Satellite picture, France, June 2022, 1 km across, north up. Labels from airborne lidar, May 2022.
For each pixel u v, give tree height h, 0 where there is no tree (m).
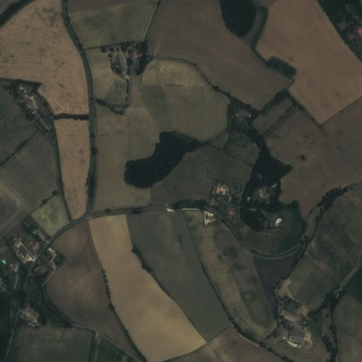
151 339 0
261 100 0
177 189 0
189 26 0
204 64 0
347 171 0
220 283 0
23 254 0
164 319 0
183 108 0
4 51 0
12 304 7
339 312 0
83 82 0
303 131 0
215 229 0
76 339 0
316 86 0
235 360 0
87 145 0
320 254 0
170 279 0
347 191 15
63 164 0
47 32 0
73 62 0
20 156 0
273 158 18
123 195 0
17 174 0
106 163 0
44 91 0
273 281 0
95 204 0
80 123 0
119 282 0
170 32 0
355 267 0
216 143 0
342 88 0
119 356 0
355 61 0
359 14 5
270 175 16
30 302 10
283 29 0
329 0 10
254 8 18
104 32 0
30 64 0
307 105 0
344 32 12
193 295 0
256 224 18
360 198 0
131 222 0
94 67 0
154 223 0
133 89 0
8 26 0
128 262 0
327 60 0
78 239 0
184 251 0
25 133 0
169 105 0
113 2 0
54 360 0
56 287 0
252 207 14
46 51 0
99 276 0
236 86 0
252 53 0
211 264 0
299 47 0
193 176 0
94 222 0
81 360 0
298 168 0
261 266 0
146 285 0
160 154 19
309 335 0
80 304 0
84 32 0
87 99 0
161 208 0
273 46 0
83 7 0
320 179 0
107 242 0
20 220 0
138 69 6
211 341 0
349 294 0
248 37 0
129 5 0
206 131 0
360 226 0
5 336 0
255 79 0
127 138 0
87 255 0
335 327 15
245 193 15
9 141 0
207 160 0
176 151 17
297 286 0
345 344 0
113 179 0
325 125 0
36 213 0
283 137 0
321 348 0
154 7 0
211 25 0
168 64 0
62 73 0
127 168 9
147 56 9
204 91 0
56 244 0
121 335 0
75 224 0
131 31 0
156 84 0
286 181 0
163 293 0
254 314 0
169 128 0
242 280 0
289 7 0
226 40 0
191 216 0
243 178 0
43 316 7
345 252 0
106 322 0
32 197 0
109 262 0
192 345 0
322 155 0
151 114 0
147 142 0
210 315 0
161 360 0
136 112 0
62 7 0
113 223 0
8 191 0
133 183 15
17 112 0
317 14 0
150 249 0
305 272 0
